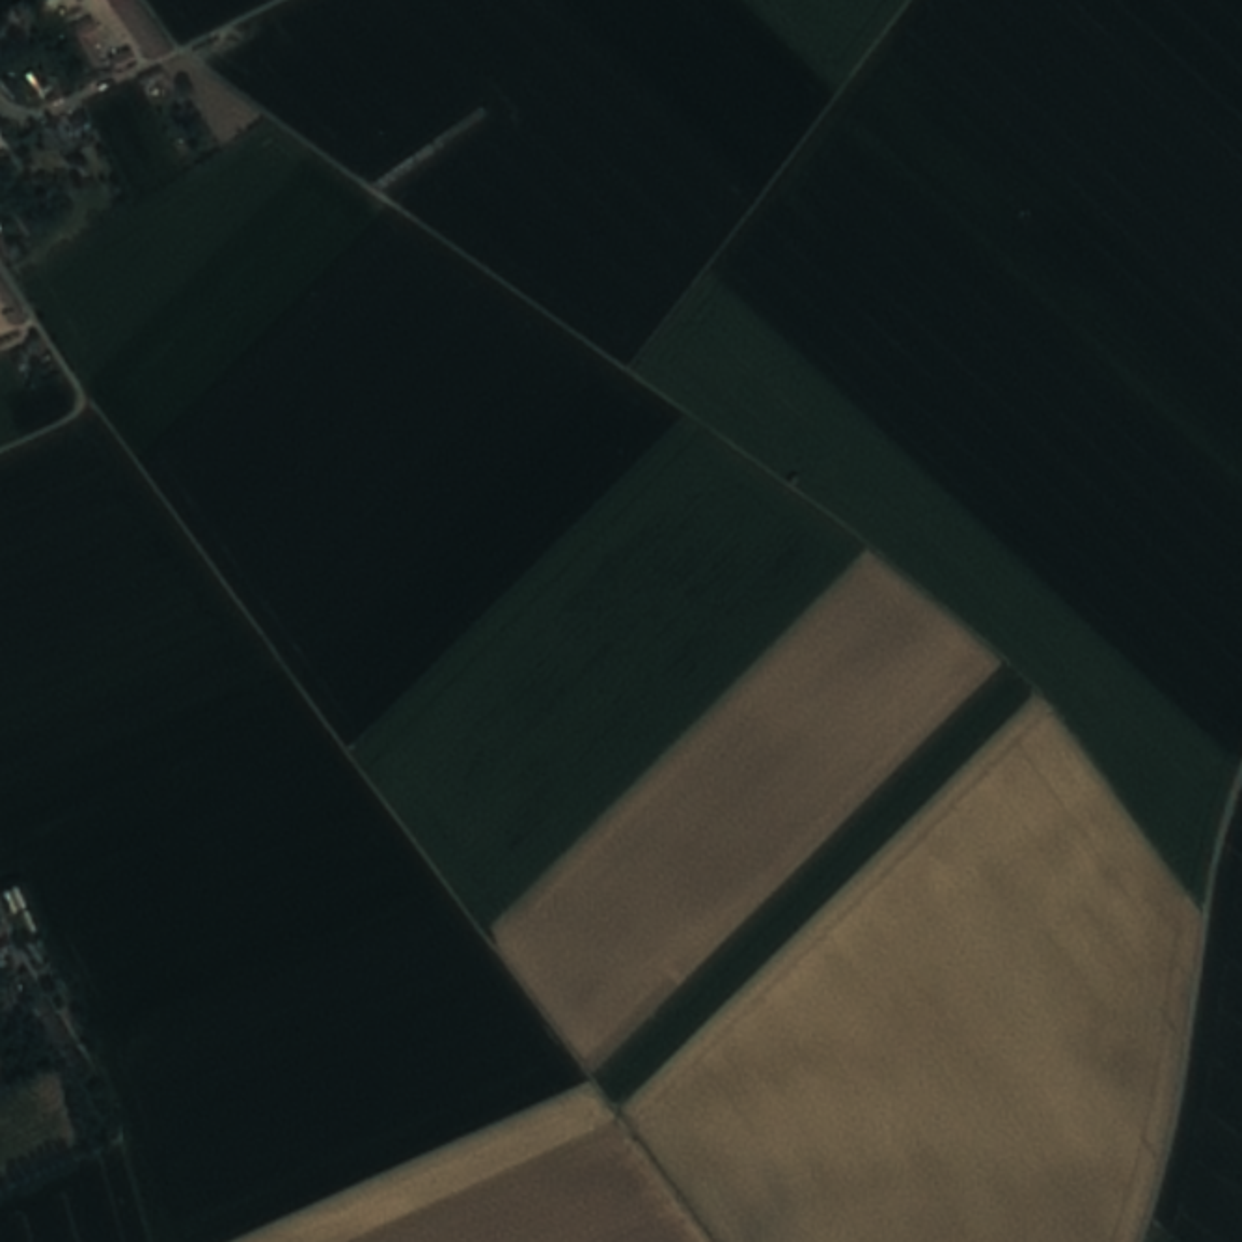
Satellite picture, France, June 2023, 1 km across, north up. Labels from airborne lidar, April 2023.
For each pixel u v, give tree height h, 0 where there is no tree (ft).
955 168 0
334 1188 0
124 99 0
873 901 0
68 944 0
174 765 0
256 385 0
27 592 0
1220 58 0
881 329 0
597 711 0
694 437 0
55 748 0
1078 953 0
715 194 0
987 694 0
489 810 0
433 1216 0
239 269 0
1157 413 0
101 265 0
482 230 0
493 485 0
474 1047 0
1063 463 0
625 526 0
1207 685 0
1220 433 0
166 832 0
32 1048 36
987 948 0
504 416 0
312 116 0
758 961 0
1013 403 0
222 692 0
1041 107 0
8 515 0
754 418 0
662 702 0
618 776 0
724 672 0
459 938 0
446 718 0
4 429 0
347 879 0
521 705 0
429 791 0
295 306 0
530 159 0
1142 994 0
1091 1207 0
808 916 0
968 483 0
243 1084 0
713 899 0
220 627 0
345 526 0
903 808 0
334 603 0
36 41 23
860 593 0
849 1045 0
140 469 0
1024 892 0
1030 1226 0
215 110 0
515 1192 0
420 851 0
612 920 0
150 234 0
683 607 0
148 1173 0
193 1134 0
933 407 0
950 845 0
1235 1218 0
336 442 0
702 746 0
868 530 0
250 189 0
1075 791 0
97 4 0
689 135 0
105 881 0
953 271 0
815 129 0
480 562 0
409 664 0
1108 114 0
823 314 0
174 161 0
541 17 0
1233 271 0
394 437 0
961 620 0
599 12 0
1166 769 0
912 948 0
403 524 0
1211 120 0
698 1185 0
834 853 0
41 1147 0
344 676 0
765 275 0
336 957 0
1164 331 0
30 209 51
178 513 0
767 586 0
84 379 0
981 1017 0
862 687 0
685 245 0
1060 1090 0
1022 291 0
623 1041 0
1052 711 0
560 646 0
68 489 0
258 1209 0
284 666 0
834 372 0
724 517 0
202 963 0
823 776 0
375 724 0
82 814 0
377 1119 0
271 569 0
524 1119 0
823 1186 0
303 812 0
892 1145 0
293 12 0
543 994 0
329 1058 0
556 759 0
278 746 0
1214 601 0
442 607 0
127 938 0
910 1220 0
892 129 0
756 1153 0
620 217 0
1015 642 0
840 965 0
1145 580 0
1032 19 0
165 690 0
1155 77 0
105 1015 0
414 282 0
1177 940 0
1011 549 0
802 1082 0
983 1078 0
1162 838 0
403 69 0
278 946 0
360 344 0
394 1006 0
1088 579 0
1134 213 0
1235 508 0
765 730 0
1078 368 0
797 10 0
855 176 0
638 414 0
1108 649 0
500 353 0
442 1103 0
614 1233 0
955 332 0
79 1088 53
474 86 0
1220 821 0
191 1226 0
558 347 0
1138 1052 0
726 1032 0
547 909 0
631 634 0
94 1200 0
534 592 0
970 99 0
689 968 0
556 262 0
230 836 0
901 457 0
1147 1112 0
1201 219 0
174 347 0
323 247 0
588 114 0
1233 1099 0
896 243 0
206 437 0
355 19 0
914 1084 0
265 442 0
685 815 0
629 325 0
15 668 0
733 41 0
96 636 0
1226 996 0
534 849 0
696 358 0
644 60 0
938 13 0
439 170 0
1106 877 0
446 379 0
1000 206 0
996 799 0
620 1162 0
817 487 0
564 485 0
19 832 0
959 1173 0
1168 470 0
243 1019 0
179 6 0
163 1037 0
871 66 0
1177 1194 0
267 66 0
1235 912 0
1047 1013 0
